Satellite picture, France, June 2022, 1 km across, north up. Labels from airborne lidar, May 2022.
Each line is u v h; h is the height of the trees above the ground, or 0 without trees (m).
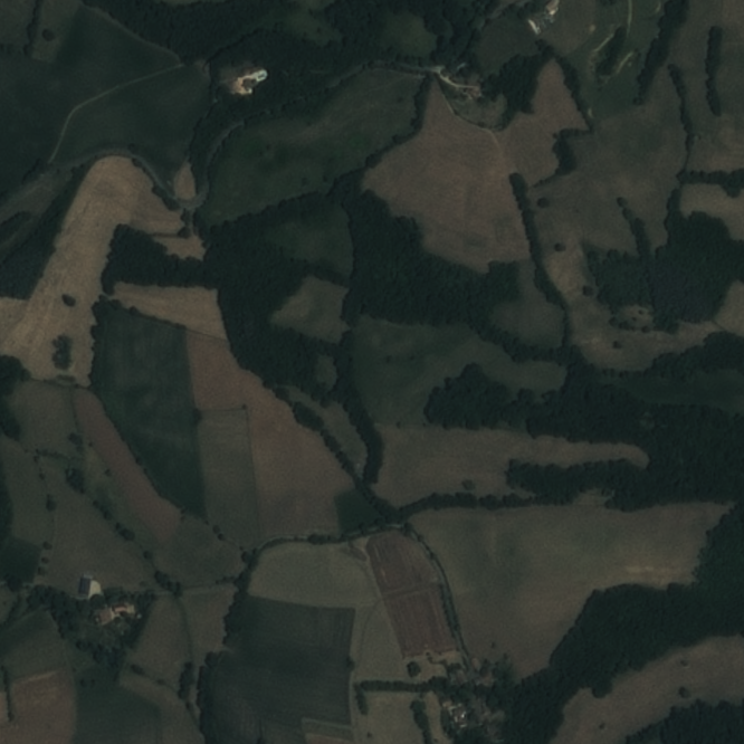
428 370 0
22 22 0
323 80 17
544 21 0
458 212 0
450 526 0
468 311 12
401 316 22
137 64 0
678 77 22
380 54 15
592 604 18
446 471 0
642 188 0
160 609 0
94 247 0
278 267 20
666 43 18
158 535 0
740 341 18
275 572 0
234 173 0
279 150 0
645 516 0
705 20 0
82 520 0
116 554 0
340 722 0
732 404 0
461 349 0
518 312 0
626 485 16
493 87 10
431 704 0
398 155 0
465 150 0
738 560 13
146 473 9
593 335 0
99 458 0
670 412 25
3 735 0
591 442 14
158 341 0
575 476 19
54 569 0
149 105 0
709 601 17
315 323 0
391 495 0
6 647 0
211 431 0
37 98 0
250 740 0
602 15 0
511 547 0
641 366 0
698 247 9
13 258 20
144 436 0
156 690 0
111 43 0
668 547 0
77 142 0
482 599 0
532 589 0
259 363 15
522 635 0
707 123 0
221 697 0
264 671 0
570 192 0
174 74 0
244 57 19
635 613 24
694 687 0
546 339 0
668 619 21
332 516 0
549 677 20
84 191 0
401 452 0
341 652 0
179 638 0
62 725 0
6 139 0
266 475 0
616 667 7
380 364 0
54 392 0
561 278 0
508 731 11
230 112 14
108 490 0
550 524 0
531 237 16
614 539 0
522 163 0
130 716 0
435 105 0
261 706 0
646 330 12
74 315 0
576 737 0
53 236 12
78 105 0
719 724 28
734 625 21
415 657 0
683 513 0
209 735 20
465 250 0
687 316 17
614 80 0
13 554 0
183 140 0
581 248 0
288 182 0
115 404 0
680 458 13
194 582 0
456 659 0
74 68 0
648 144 0
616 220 0
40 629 0
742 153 0
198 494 0
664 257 14
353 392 21
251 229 18
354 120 0
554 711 20
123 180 0
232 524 0
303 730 0
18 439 6
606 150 0
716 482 12
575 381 25
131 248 20
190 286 19
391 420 0
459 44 19
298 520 0
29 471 0
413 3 25
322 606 0
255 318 20
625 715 0
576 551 0
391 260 14
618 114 0
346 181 22
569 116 0
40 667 0
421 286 19
